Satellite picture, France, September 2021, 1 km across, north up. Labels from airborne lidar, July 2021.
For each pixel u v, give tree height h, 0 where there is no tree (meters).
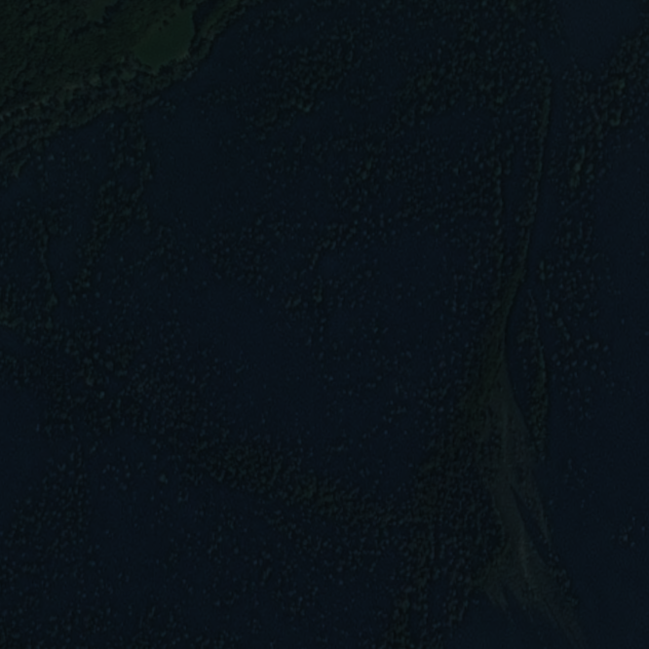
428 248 22
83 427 26
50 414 27
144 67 14
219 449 23
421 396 25
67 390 25
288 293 23
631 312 30
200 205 22
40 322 17
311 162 26
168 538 26
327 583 22
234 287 21
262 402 31
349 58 33
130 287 31
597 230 27
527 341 31
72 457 24
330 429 26
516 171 19
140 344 26
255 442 27
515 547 0
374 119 24
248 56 15
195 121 10
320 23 23
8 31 28
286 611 28
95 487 22
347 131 32
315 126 17
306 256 23
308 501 20
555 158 20
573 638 0
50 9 23
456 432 23
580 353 25
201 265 8
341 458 20
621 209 29
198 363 9
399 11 31
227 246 27
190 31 0
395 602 22
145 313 34
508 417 0
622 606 0
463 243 32
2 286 19
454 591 15
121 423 17
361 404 28
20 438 15
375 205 14
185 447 27
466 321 26
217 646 32
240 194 26
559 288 33
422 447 21
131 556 28
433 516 20
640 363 19
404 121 32
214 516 28
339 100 23
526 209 29
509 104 26
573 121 27
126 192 13
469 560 7
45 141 13
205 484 22
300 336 30
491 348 19
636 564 0
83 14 18
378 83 32
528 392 17
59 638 29
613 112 30
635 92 27
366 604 22
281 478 20
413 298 17
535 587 0
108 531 30
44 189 23
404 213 37
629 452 14
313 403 30
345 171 25
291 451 12
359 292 36
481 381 23
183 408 32
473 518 8
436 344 16
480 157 30
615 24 7
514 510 0
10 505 28
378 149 28
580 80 20
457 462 23
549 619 0
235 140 22
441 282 26
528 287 7
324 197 25
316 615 28
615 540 9
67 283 19
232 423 20
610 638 0
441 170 30
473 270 35
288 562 27
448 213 23
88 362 25
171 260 31
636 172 37
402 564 12
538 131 29
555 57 7
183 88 6
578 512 20
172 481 20
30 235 23
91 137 15
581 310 34
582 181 15
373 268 30
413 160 27
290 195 31
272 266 15
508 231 15
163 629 22
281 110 33
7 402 13
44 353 23
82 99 9
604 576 0
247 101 25
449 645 10
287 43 7
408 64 27
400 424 13
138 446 8
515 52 35
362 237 33
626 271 28
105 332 21
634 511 23
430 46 27
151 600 27
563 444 16
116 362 29
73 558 24
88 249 26
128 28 28
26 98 19
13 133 18
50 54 25
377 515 25
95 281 21
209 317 27
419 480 19
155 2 27
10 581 34
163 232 27
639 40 22
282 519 24
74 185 25
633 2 10
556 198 20
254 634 29
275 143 22
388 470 18
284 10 23
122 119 17
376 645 24
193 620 22
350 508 23
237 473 27
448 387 25
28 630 27
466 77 26
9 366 23
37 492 20
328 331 10
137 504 31
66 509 32
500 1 34
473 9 29
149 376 22
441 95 25
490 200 35
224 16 15
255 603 27
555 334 24
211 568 25
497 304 20
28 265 23
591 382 25
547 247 26
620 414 23
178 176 25
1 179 20
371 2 24
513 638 0
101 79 22
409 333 17
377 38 33
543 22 16
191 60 13
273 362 24
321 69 30
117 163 24
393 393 30
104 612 33
